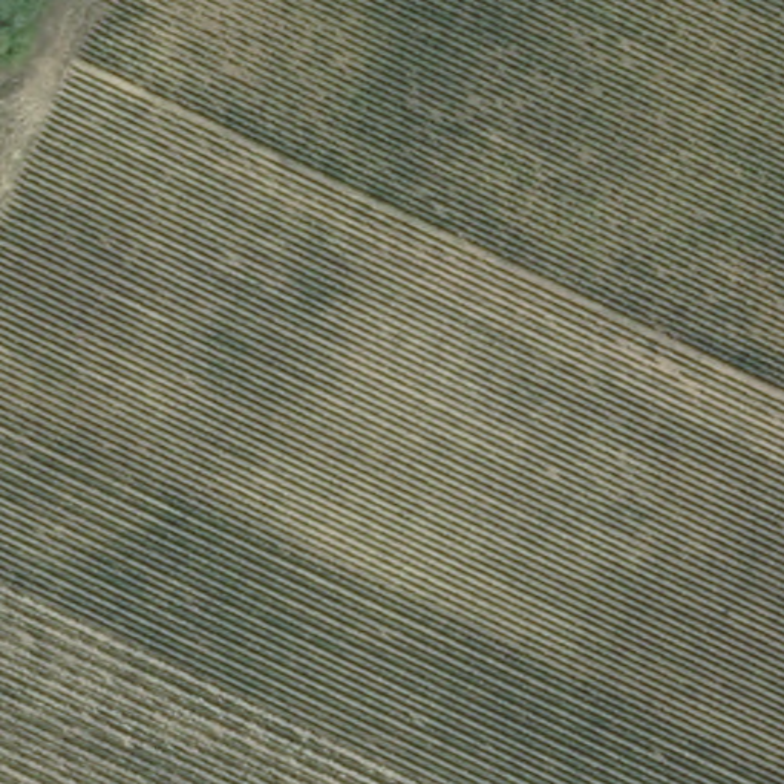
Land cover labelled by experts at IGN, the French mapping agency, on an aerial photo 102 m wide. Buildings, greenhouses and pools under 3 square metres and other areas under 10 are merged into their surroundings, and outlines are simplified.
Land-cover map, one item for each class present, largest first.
<instances>
[{"label":"vineyard","instance_id":"1","mask_svg":"<svg viewBox=\"0 0 784 784\"><path fill-rule=\"evenodd\" d=\"M110 12L101 18V25L86 37V46L80 49V58L95 64L98 70L92 80L70 77L61 95L52 101V113L46 116L43 132L37 135V150L25 153V172L15 181L12 208L0 221V784H784V0H107Z\"/></svg>","mask_w":784,"mask_h":784},{"label":"herbaceous vegetation","instance_id":"2","mask_svg":"<svg viewBox=\"0 0 784 784\"><path fill-rule=\"evenodd\" d=\"M110 12L107 0H49L37 12L34 52L15 67H0V221L12 208L15 181L25 172V153L37 150V135L43 132L46 116L52 113V101L61 95L70 77L92 80L98 70L95 64L80 58V49L86 46V37L101 25V18Z\"/></svg>","mask_w":784,"mask_h":784},{"label":"deciduous trees","instance_id":"3","mask_svg":"<svg viewBox=\"0 0 784 784\"><path fill-rule=\"evenodd\" d=\"M49 0H0V67H15L34 52L37 12Z\"/></svg>","mask_w":784,"mask_h":784}]
</instances>
